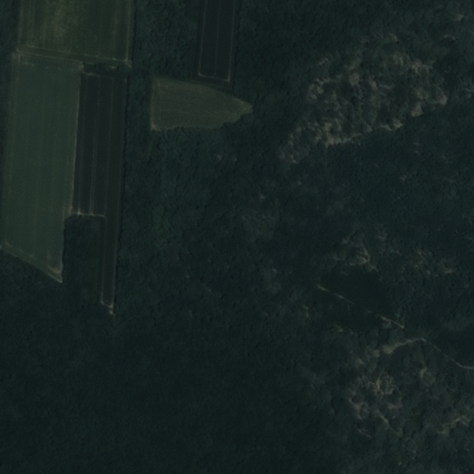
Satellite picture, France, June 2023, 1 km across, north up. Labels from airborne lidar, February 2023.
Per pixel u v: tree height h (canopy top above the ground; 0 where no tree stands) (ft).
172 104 0
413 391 0
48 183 0
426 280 79
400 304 69
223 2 0
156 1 71
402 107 62
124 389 74
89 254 75
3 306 68
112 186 0
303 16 86
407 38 76
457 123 70
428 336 73
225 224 84
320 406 79
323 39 85
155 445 71
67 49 0
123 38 0
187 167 74
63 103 0
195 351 78
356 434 80
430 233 72
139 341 79
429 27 83
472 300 65
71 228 67
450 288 80
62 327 87
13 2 68
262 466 65
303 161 70
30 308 86
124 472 90
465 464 83
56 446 86
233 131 65
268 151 57
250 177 92
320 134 67
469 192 84
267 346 66
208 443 81
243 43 64
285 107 84
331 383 86
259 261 43
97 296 61
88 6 0
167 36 64
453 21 88
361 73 0
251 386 84
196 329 83
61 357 85
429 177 67
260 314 84
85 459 78
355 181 74
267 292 89
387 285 60
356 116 58
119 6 0
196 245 80
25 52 0
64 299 76
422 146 74
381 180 69
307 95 65
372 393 0
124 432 82
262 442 78
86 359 75
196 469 36
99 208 0
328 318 38
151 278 75
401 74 0
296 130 86
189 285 85
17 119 0
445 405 43
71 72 0
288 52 94
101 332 88
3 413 72
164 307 83
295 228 54
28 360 73
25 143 0
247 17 74
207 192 86
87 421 77
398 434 68
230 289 97
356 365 77
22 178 0
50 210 0
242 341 85
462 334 59
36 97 0
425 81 73
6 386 73
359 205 64
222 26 0
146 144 66
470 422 72
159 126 0
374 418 72
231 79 0
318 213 71
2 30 72
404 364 70
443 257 63
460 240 76
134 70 45
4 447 81
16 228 0
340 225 76
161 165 75
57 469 66
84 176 0
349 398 87
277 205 81
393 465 62
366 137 55
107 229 0
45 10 0
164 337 83
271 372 70
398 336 65
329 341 76
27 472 79
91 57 0
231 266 91
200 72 0
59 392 73
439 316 87
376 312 24
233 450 82
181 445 84
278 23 85
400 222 70
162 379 69
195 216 80
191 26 70
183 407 84
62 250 0
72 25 0
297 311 91
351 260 73
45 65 0
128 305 52
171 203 74
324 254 59
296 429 78
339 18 72
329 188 74
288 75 83
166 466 78
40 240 0
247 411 78
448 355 62
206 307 85
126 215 45
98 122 0
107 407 88
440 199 79
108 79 0
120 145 0
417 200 72
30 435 69
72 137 0
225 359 74
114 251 0
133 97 66
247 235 79
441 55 48
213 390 76
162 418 87
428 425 87
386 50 88
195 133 72
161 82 0
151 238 88
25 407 71
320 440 75
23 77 0
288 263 78
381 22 79
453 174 79
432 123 72
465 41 67
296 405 75
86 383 84
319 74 83
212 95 0
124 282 66
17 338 81
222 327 77
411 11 83
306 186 71
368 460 81
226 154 87
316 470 68
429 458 81
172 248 84
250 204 78
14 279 67
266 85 48
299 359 85
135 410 83
